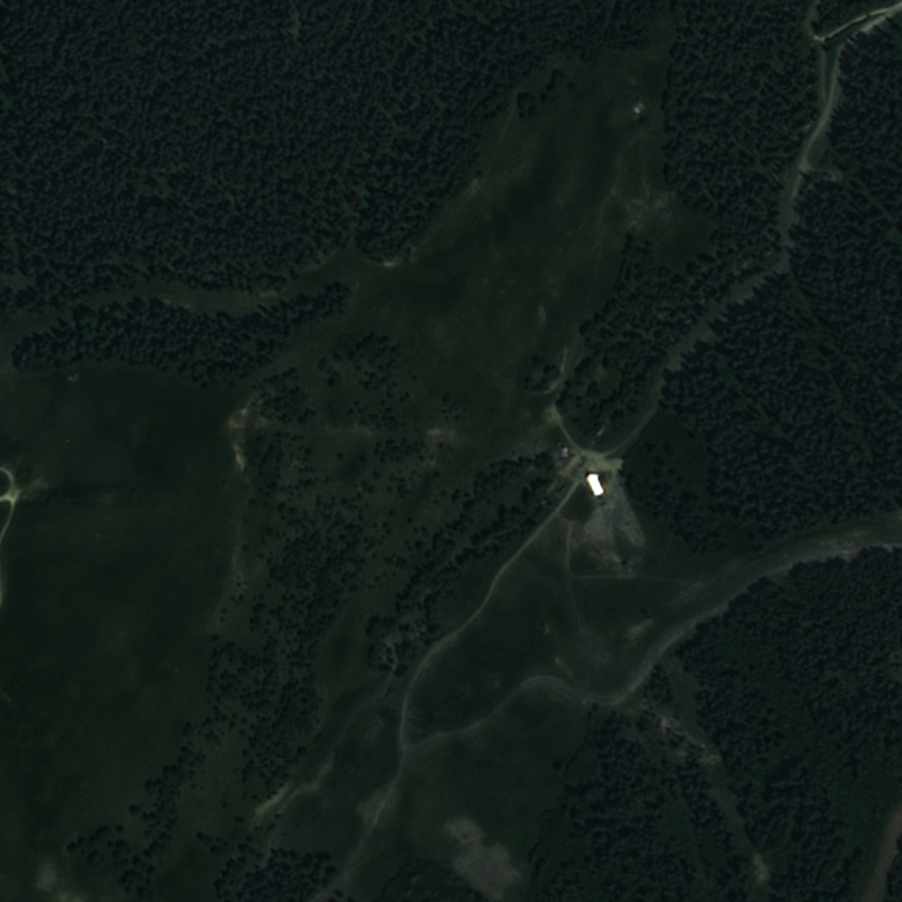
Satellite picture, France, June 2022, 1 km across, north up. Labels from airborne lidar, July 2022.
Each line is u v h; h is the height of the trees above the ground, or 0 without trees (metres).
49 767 0
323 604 15
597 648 0
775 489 22
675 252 0
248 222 23
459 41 25
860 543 0
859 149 25
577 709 0
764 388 33
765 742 8
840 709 20
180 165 22
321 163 25
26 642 0
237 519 0
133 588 0
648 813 6
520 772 0
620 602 0
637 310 24
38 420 0
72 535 0
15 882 0
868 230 32
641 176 0
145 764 0
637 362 19
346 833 0
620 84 0
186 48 23
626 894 22
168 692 0
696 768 18
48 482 0
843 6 15
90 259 26
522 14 20
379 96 20
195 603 0
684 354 0
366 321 0
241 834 0
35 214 24
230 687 16
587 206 0
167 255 21
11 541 0
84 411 0
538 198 0
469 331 0
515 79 17
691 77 8
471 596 0
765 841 26
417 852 0
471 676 0
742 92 33
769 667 7
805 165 0
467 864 0
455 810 0
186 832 0
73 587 0
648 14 24
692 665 12
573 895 7
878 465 7
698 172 25
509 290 0
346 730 0
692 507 20
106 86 24
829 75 0
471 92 28
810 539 0
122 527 0
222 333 9
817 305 10
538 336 0
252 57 22
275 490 10
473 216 0
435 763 0
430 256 0
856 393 27
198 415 0
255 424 0
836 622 18
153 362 23
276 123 28
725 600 0
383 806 0
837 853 20
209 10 26
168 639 0
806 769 7
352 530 18
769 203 29
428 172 28
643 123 11
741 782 21
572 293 0
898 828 0
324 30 18
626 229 0
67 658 0
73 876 0
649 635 0
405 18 22
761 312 25
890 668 15
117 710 0
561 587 0
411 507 0
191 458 0
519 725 0
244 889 17
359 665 0
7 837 0
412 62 26
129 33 26
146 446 0
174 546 0
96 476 0
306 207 25
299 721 16
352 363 9
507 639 0
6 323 28
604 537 0
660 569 0
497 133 0
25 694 0
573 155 0
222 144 26
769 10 25
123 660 0
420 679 0
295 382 12
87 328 33
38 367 28
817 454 11
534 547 0
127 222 21
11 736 0
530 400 0
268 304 0
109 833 18
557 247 0
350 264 0
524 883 0
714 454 23
